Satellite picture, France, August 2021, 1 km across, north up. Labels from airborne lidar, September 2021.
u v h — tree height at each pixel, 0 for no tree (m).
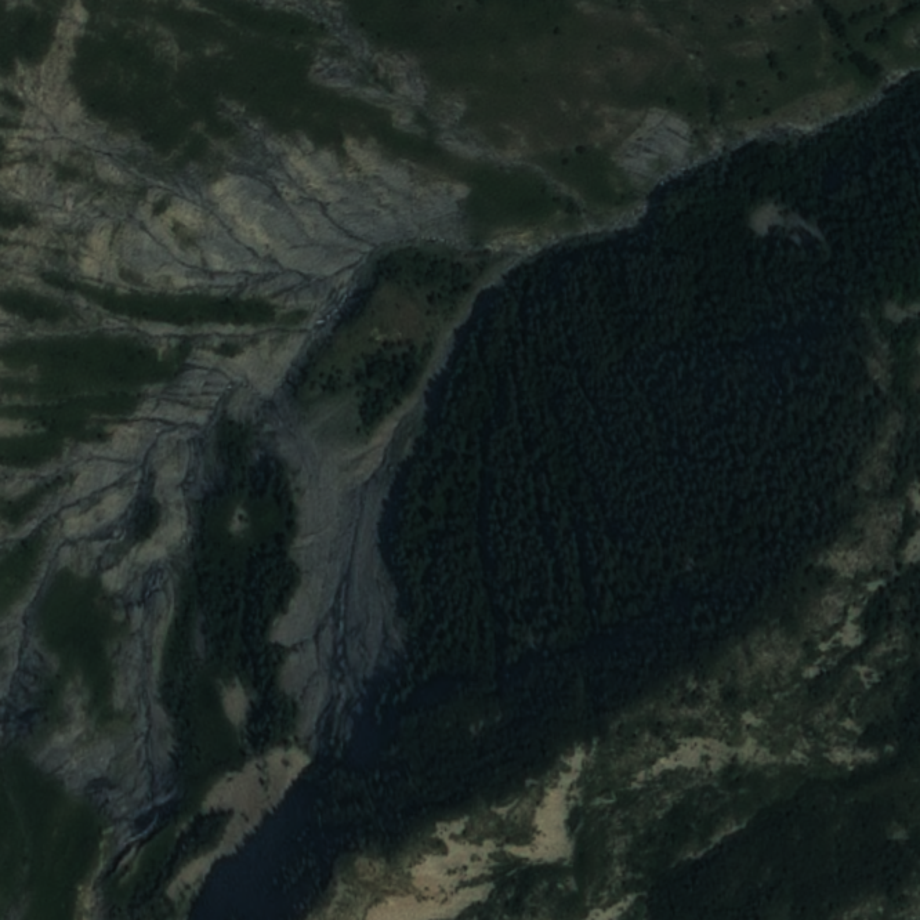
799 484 17
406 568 18
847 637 0
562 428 19
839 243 17
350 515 0
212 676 0
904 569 16
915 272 18
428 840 0
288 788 0
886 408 12
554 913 0
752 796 0
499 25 0
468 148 0
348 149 0
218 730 0
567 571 24
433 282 6
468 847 0
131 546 0
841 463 11
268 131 0
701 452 21
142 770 0
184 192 0
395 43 0
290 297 0
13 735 0
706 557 20
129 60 0
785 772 0
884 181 16
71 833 0
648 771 0
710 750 0
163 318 0
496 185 0
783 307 13
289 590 7
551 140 0
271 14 0
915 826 0
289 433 0
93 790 0
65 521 0
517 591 7
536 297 15
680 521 23
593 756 0
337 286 0
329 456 0
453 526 11
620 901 0
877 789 0
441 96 0
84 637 0
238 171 0
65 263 0
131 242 0
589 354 30
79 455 0
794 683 0
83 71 0
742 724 0
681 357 10
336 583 0
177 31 0
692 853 0
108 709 0
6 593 0
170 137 0
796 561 9
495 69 0
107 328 0
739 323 10
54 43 0
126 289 0
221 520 0
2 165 0
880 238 14
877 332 7
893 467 8
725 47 0
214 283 0
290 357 0
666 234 15
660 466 23
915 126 12
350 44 0
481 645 5
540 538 6
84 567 0
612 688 6
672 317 25
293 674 0
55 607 0
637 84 0
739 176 14
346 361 0
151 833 0
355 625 0
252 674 7
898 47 0
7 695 0
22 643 0
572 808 0
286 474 10
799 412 19
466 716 0
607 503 20
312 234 0
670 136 0
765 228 0
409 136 0
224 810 0
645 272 28
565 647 7
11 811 0
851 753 0
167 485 0
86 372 0
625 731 8
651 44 0
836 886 7
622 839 0
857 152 14
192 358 0
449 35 0
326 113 0
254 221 0
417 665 10
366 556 0
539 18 0
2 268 0
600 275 15
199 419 0
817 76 0
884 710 0
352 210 0
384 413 16
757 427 20
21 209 0
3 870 0
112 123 0
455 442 23
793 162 10
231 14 0
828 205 11
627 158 0
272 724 10
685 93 0
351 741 0
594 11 0
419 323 0
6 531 0
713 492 21
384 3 0
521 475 22
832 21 15
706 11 0
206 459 0
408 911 0
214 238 0
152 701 0
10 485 0
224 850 0
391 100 0
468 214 0
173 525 0
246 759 9
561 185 0
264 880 0
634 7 0
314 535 0
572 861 0
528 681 10
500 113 0
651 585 11
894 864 6
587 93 0
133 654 0
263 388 0
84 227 0
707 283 14
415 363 13
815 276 6
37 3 0
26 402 0
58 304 0
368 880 0
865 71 10
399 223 0
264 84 0
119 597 0
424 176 0
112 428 0
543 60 0
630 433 24
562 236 0
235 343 0
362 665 0
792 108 0
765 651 0
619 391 16
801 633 0
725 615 6
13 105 0
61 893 0
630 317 15
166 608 0
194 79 0
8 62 0
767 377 6
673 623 7
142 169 0
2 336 0
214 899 0
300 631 0
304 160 0
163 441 0
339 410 0
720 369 12
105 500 0
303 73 0
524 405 26
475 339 17
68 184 0
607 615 23
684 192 12
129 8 0
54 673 0
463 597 19
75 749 0
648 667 11
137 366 0
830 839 0
